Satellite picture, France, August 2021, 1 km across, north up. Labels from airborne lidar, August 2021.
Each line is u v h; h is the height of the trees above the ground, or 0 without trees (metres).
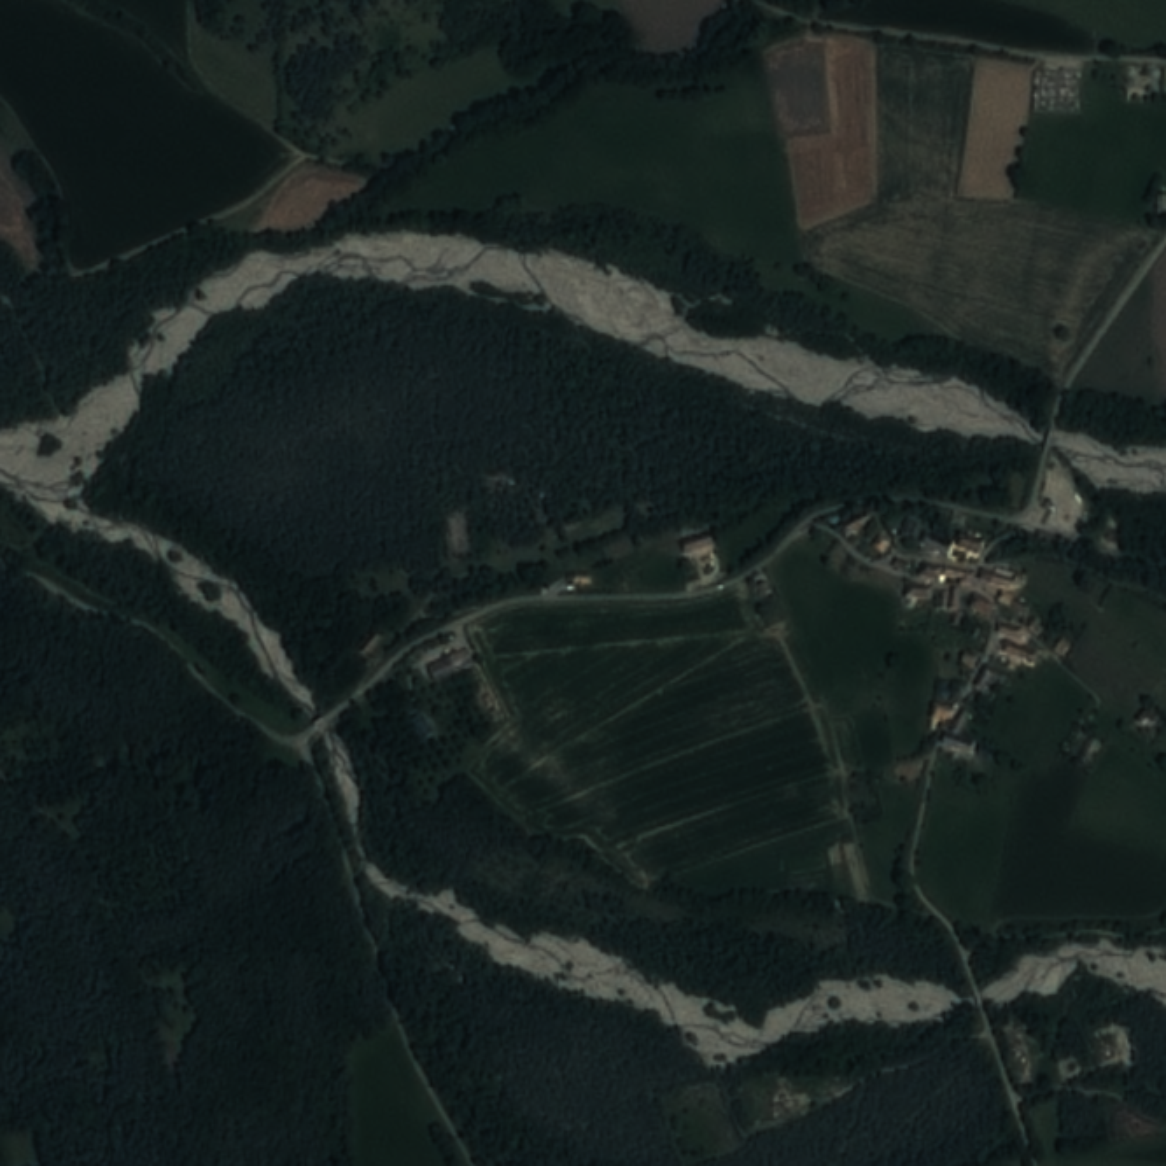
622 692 0
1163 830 0
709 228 0
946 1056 9
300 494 6
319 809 19
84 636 18
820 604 0
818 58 0
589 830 0
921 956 12
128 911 11
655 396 10
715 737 0
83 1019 13
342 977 19
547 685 0
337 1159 9
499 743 0
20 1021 18
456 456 10
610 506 10
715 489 12
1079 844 0
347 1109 14
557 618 0
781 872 0
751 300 7
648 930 10
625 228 15
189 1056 14
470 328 10
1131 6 0
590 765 0
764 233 0
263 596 17
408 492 8
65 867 16
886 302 0
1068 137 0
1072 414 15
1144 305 0
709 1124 0
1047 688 0
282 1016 19
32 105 0
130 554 6
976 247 0
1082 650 0
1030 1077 0
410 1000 28
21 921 14
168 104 0
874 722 0
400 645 8
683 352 0
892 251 0
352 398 6
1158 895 0
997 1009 19
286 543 12
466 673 8
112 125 0
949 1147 13
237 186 0
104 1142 12
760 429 9
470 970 8
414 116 0
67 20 0
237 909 17
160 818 14
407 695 10
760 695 0
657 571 0
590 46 17
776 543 11
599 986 0
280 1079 21
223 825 21
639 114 0
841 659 0
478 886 10
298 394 11
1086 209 0
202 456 10
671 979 7
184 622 15
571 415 10
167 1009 14
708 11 0
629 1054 8
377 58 8
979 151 0
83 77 0
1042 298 0
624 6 0
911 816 0
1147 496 6
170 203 0
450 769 11
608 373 12
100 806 14
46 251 16
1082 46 0
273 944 20
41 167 9
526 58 12
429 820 11
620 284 0
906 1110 6
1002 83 0
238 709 9
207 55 0
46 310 11
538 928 7
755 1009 6
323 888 17
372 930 16
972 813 0
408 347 13
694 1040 7
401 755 9
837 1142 8
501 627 0
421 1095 0
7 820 15
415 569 10
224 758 21
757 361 0
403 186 20
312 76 14
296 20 7
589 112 0
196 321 0
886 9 0
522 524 9
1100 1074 6
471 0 8
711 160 0
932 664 0
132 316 11
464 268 0
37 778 8
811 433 8
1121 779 0
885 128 0
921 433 8
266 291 0
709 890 0
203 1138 18
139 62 0
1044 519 0
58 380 8
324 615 16
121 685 22
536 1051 8
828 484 21
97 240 0
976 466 8
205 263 10
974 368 10
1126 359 0
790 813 0
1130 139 0
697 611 0
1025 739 0
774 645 0
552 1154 12
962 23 0
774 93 0
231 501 8
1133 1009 11
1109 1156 0
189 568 0
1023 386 12
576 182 0
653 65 18
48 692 18
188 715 21
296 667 8
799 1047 9
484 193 0
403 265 0
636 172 0
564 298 0
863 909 9
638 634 0
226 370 6
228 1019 18
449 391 6
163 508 16
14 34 0
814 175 0
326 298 9
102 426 0
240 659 8
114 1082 14
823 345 5
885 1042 8
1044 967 0
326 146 7
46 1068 17
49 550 15
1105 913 0
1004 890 0
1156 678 0
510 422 10
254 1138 18
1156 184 7
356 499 9
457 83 0
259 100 0
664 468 12
